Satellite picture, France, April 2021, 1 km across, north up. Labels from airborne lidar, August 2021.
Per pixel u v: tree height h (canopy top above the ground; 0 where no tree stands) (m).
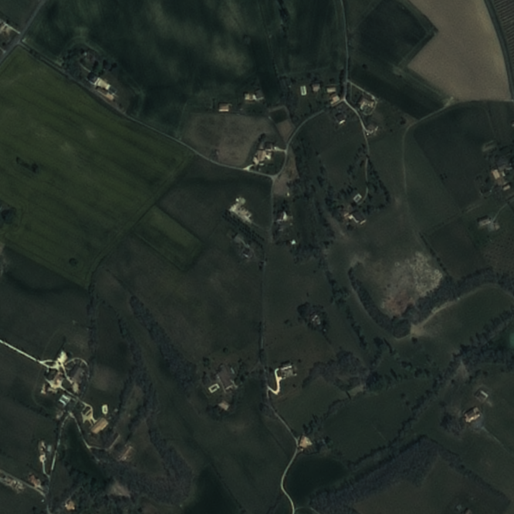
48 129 0
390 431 0
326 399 0
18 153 0
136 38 0
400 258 0
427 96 0
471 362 23
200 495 0
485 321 0
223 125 0
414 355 0
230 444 0
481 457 0
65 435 9
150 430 6
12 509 0
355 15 0
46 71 0
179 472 17
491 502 0
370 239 0
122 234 0
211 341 0
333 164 0
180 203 0
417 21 0
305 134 0
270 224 0
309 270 0
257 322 0
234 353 0
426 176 0
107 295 0
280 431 0
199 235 0
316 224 0
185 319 0
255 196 0
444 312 0
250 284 0
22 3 0
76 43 0
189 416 0
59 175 0
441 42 0
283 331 0
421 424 0
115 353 0
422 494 0
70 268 0
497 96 0
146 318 13
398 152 0
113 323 0
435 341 0
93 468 0
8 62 0
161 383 0
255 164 8
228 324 0
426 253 0
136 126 0
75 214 0
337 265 0
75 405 11
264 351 8
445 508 0
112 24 0
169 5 0
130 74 0
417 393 0
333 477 0
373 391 33
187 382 17
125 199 0
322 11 0
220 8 0
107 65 16
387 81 0
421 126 0
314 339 0
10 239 0
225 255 0
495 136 0
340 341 0
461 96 0
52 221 0
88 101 0
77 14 0
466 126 0
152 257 0
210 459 0
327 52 0
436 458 10
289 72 0
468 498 0
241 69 0
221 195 0
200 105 0
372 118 7
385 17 0
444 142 0
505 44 0
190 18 0
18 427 0
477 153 0
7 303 0
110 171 0
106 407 0
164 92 0
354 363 17
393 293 0
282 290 0
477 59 0
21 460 0
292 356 0
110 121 0
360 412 0
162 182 0
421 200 0
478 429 0
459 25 0
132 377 15
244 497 0
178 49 0
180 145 0
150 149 0
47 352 0
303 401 0
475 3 0
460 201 0
